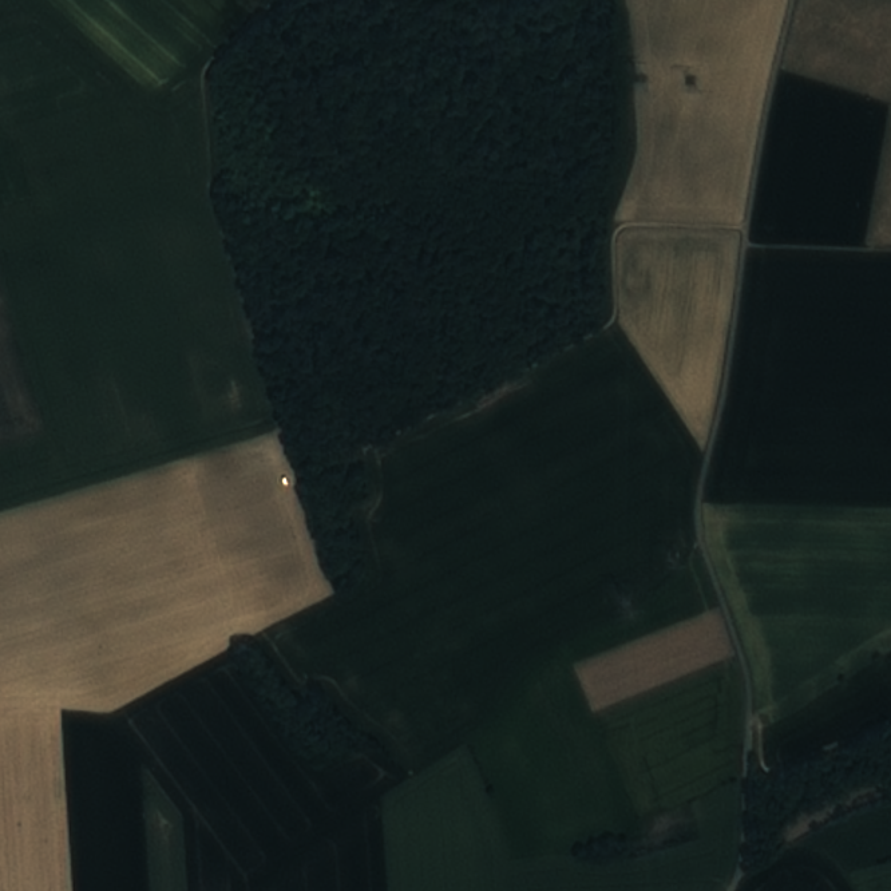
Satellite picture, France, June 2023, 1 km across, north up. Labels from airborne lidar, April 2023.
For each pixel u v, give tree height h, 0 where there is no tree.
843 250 0
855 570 0
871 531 0
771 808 26
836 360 0
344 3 26
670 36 0
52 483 0
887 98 0
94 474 0
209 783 0
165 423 0
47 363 0
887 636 0
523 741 0
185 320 0
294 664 0
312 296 29
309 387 28
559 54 27
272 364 22
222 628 0
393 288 28
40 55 0
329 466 23
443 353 21
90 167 0
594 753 0
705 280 0
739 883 0
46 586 0
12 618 0
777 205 0
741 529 0
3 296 0
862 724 0
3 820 0
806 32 0
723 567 0
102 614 0
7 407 0
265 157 8
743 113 0
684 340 0
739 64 0
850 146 0
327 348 29
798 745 0
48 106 0
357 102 26
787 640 0
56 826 0
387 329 28
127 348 0
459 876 0
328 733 22
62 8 0
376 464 0
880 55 0
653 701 0
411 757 0
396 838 0
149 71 0
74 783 0
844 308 0
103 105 0
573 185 27
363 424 29
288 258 24
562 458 0
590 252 20
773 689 0
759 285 0
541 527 0
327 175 20
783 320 0
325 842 0
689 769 0
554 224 17
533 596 0
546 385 0
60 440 0
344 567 11
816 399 0
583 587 0
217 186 11
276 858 0
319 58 12
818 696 0
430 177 21
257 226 24
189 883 0
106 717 0
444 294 26
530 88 28
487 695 0
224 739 0
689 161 0
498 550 0
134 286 0
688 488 0
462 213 31
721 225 0
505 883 0
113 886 0
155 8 0
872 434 0
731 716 0
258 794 0
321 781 0
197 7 0
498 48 23
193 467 0
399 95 28
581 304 14
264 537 0
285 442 19
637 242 0
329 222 26
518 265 26
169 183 0
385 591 0
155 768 0
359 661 0
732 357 0
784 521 0
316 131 23
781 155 0
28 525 0
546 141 31
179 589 0
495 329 21
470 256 28
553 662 0
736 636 0
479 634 0
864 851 0
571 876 0
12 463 0
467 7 20
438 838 0
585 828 0
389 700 0
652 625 0
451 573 0
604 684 0
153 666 0
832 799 13
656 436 0
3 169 0
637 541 0
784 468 0
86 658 0
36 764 0
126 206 0
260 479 0
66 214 0
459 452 0
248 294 20
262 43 22
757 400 0
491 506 0
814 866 0
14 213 0
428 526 0
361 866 0
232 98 6
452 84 29
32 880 0
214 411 0
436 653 0
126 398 0
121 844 0
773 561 0
